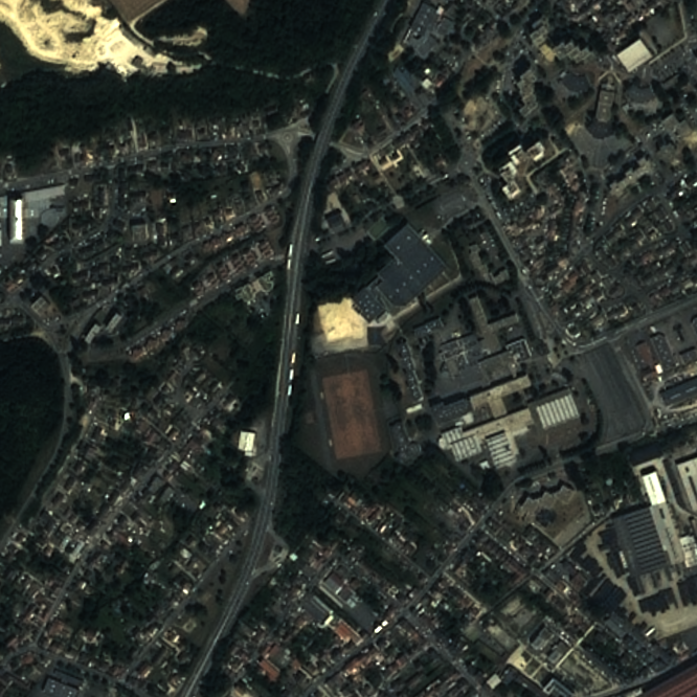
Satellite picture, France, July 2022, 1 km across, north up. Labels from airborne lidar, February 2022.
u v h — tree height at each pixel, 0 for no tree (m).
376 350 0
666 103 7
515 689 13
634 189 7
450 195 0
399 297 0
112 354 0
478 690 0
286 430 0
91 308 0
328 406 0
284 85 12
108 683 10
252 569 0
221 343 0
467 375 0
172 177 9
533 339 11
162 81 7
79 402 10
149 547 0
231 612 0
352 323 0
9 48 0
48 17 0
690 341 0
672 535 0
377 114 0
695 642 0
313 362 10
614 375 0
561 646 0
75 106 18
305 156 14
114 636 0
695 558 0
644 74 0
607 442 0
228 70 13
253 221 0
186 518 17
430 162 6
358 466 0
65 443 8
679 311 0
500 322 0
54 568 7
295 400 9
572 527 0
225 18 13
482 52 0
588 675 0
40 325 0
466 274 10
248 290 0
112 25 0
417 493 0
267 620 7
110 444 8
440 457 22
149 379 13
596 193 13
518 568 0
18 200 0
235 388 0
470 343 0
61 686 0
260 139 0
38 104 15
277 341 0
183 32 7
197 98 20
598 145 0
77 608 0
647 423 0
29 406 9
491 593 13
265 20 7
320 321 0
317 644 8
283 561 0
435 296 0
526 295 0
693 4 20
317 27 9
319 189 14
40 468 0
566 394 0
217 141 0
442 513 0
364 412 0
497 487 8
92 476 8
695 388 0
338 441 0
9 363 16
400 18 6
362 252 17
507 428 0
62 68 0
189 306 0
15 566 5
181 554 0
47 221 0
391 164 0
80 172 0
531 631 0
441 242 0
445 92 20
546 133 13
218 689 21
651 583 0
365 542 0
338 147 0
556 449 0
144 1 0
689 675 0
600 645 7
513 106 12
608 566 0
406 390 0
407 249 0
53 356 9
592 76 0
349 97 7
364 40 0
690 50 0
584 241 0
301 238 0
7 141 18
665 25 0
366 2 12
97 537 0
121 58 0
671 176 0
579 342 0
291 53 10
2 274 0
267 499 0
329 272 7
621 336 0
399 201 0
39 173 0
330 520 11
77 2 0
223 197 0
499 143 13
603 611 15
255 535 0
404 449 0
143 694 0
